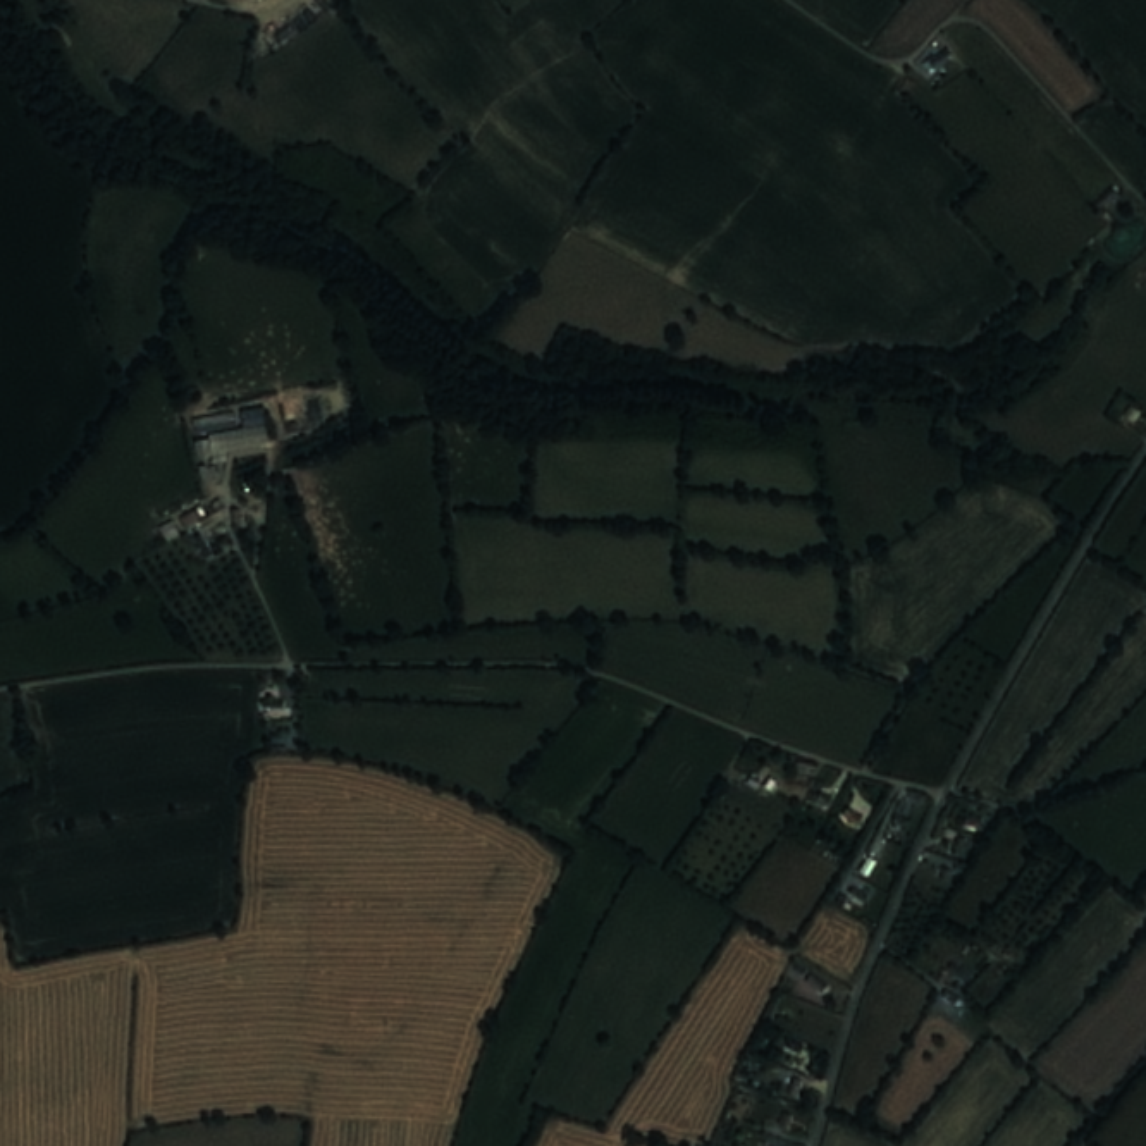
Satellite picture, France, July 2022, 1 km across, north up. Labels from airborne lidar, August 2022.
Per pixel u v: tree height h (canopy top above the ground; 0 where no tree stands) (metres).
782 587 0
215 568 6
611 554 0
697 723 0
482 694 0
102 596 17
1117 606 0
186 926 0
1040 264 0
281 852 0
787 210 0
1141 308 0
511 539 0
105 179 16
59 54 9
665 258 0
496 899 0
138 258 0
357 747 0
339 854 0
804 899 0
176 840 0
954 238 0
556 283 0
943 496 12
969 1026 0
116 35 0
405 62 0
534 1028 0
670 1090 0
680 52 0
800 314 0
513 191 0
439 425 15
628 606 0
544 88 0
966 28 0
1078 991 0
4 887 0
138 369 16
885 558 15
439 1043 0
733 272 0
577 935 0
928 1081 0
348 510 0
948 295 0
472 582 0
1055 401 0
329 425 6
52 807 0
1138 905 11
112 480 0
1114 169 0
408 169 0
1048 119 0
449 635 15
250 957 0
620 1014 0
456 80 0
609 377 23
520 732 0
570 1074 0
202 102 0
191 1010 0
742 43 0
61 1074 0
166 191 17
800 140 0
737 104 0
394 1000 0
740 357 0
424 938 0
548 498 0
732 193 0
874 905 0
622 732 0
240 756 0
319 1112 0
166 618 10
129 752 0
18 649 0
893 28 0
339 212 7
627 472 0
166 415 0
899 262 0
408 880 0
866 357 16
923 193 0
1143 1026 0
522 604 0
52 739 0
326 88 0
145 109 14
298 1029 0
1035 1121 0
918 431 0
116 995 0
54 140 10
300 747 12
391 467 0
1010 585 9
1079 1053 0
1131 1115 0
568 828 0
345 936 0
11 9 16
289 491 11
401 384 0
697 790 0
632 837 0
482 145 0
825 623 0
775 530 0
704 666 0
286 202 13
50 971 0
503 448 0
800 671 0
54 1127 0
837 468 0
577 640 0
